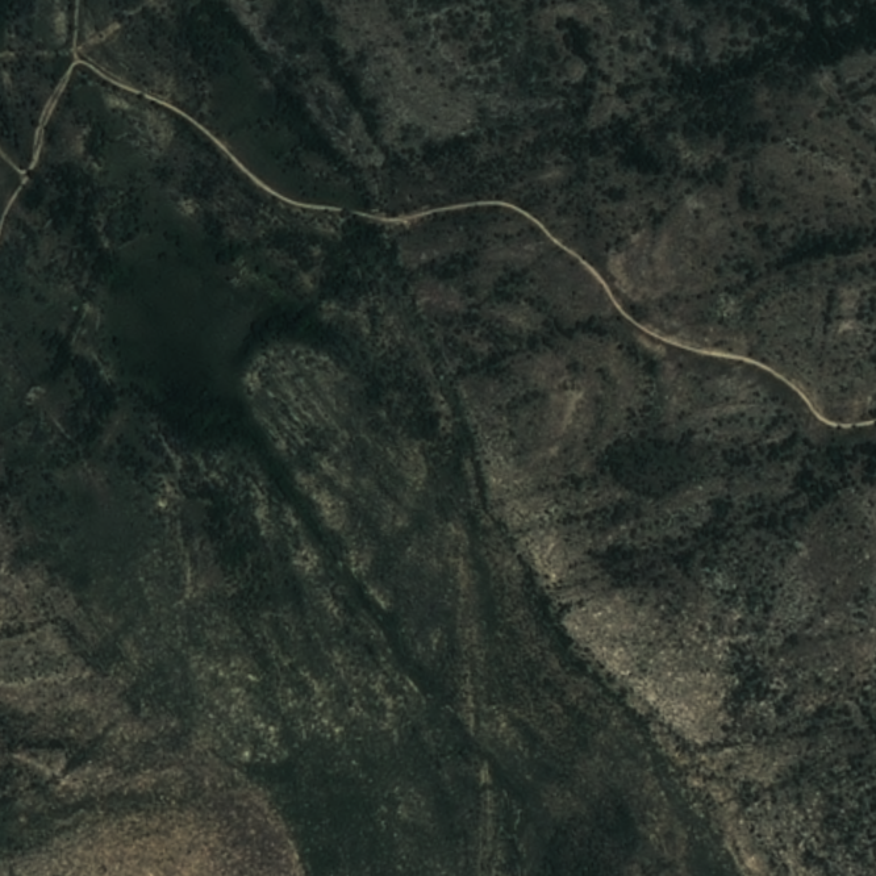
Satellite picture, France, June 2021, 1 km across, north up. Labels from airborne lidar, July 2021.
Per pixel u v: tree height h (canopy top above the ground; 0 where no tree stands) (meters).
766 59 7
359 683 0
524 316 0
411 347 0
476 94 0
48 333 6
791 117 0
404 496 0
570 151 7
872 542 0
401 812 0
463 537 0
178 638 0
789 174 0
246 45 6
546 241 0
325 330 6
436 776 0
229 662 0
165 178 7
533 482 0
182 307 0
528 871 0
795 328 0
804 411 0
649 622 0
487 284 0
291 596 0
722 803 0
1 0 11
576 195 6
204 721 0
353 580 0
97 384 7
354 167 7
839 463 8
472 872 0
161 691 0
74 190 8
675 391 0
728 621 0
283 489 8
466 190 6
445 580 0
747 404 0
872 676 0
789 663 0
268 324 10
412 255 0
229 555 6
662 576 6
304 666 0
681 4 0
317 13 6
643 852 0
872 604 0
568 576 0
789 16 6
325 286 7
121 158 0
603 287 0
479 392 0
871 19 7
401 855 0
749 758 0
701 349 0
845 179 0
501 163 6
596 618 0
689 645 0
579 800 0
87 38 0
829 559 0
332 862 0
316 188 6
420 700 0
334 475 0
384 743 0
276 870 0
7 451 0
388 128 0
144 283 0
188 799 0
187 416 7
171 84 0
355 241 8
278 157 7
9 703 0
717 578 0
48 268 6
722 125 7
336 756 0
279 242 6
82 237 9
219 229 6
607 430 0
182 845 0
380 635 0
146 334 0
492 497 0
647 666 0
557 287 0
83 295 6
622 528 0
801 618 0
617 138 8
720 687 0
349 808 0
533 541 0
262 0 0
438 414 6
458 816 0
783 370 0
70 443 6
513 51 0
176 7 6
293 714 0
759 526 6
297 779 0
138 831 0
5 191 0
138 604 0
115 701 0
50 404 0
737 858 0
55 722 0
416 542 0
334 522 0
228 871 0
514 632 0
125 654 0
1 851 0
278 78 6
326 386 0
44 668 0
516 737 0
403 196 0
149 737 0
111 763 0
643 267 0
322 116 0
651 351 0
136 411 6
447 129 0
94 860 0
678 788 0
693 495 0
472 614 0
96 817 0
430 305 0
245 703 0
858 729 6
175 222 0
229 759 0
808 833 0
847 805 0
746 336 0
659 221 7
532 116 6
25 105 7
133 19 7
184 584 0
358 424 0
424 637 0
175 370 0
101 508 0
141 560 0
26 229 7
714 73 10
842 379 0
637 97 0
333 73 6
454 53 0
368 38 0
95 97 0
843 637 0
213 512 9
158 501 0
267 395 0
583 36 6
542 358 0
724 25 0
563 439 0
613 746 0
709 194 0
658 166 6
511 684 0
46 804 0
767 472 0
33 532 0
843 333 0
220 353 0
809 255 7
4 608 0
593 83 8
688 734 0
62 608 0
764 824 0
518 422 0
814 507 6
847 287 0
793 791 0
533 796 0
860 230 7
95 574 0
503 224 0
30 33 6
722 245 0
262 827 0
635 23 0
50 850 0
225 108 0
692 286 0
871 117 0
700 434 0
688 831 0
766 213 0
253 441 6
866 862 0
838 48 7
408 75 0
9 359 0
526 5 6
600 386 0
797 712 0
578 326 6
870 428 0
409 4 0
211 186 6
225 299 0
